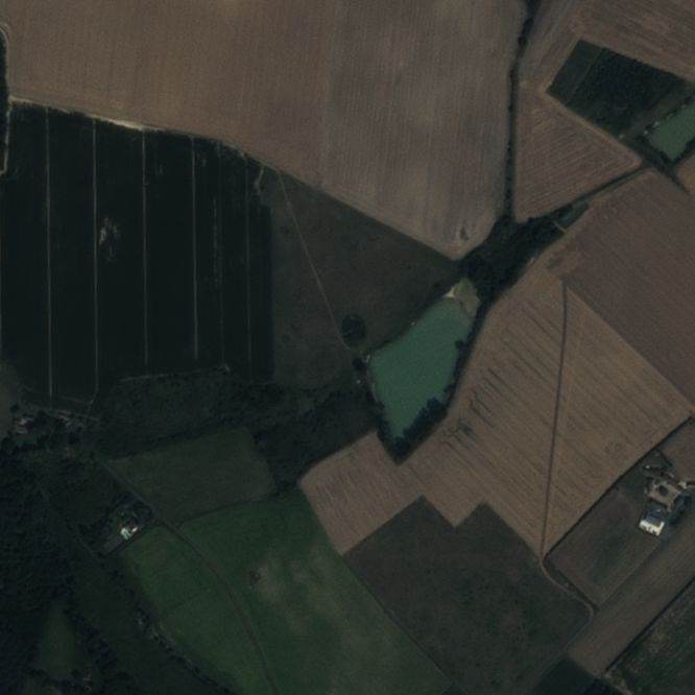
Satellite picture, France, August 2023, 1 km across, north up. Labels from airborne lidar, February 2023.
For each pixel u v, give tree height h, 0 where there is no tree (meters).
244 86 0
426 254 0
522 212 0
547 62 0
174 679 0
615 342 0
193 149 0
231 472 0
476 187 0
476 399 0
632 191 0
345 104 0
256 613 0
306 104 0
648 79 7
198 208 0
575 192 0
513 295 0
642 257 0
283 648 0
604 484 0
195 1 0
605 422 0
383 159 0
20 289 0
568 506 0
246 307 0
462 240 0
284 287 0
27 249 0
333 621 0
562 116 0
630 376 0
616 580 0
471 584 0
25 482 15
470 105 0
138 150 0
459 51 0
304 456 0
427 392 0
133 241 0
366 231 0
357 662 0
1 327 0
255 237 0
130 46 0
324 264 0
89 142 0
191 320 0
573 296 0
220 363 0
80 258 0
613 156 0
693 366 0
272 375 0
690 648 0
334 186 0
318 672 0
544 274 0
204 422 0
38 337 0
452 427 0
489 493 0
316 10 0
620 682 0
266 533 0
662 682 0
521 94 0
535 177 0
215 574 0
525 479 0
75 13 0
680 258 0
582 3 0
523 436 0
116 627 0
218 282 0
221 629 0
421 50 0
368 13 0
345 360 0
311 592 0
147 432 0
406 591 0
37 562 22
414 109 0
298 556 0
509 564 0
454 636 0
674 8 0
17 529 25
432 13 0
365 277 0
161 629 0
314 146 0
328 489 0
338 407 0
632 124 0
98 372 0
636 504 0
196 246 0
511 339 0
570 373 0
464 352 18
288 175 0
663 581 0
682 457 0
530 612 0
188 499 0
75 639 0
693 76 0
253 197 0
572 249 0
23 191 0
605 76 7
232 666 0
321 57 0
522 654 0
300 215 0
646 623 0
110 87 0
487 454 0
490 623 0
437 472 0
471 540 0
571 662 0
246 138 0
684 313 0
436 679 0
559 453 0
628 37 0
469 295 0
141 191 0
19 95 0
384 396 0
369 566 0
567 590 0
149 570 0
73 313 0
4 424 0
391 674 0
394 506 0
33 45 0
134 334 0
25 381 0
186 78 0
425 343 0
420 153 0
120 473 0
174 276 0
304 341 0
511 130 0
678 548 0
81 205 0
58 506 0
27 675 16
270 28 0
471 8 0
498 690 0
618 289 0
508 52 0
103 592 0
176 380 0
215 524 0
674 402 0
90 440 0
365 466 0
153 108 0
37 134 0
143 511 22
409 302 0
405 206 0
